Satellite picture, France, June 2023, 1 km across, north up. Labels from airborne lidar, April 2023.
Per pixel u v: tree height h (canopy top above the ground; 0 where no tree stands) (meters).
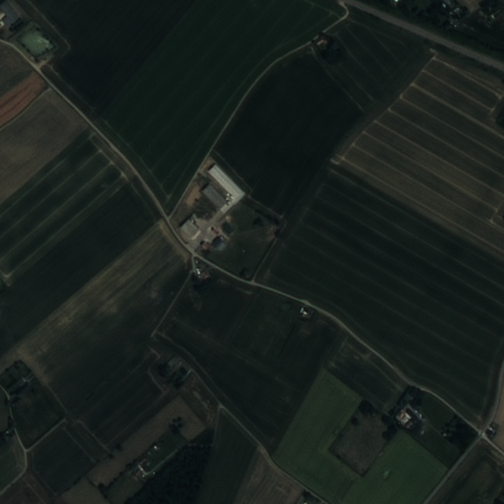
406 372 0
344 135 0
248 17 0
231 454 0
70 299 0
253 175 0
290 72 0
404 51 0
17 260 0
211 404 0
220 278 0
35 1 0
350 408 0
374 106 0
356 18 0
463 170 0
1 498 0
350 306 0
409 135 0
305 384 0
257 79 0
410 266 0
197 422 0
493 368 0
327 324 0
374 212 0
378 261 0
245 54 0
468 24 0
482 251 0
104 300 0
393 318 0
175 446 0
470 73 0
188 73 0
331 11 0
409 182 0
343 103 0
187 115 0
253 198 0
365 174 0
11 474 0
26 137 0
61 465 0
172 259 0
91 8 0
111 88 0
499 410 0
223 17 0
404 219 0
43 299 0
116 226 0
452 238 0
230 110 0
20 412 0
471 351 0
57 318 0
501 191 0
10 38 0
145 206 0
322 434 0
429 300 0
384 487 0
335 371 0
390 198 0
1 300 0
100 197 0
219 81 0
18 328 0
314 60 0
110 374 0
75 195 0
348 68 0
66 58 0
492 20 0
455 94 0
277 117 0
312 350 0
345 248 0
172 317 0
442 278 0
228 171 0
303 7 0
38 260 0
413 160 0
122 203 0
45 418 0
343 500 0
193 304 0
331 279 0
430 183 0
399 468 0
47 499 0
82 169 0
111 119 0
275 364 0
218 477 0
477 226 0
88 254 0
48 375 0
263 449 0
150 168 0
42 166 0
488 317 0
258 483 0
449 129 0
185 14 0
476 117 0
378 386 0
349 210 0
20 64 0
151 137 0
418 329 0
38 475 0
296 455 0
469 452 0
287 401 0
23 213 0
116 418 0
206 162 0
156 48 0
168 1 0
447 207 0
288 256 0
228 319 0
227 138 0
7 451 0
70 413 0
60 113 0
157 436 0
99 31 0
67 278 0
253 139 0
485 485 0
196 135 0
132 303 0
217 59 0
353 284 0
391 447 0
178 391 0
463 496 0
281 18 0
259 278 0
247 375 0
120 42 0
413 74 0
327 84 0
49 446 0
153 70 0
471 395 0
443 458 0
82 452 0
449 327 0
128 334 0
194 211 0
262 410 0
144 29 0
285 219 0
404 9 19
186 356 0
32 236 0
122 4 0
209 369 0
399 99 0
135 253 0
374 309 0
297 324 0
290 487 0
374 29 0
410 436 0
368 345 0
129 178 0
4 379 0
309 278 0
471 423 0
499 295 0
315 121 0
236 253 0
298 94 0
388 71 0
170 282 0
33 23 0
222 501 0
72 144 0
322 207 0
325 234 0
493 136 0
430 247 0
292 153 0
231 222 0
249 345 0
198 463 15
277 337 0
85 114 0
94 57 0
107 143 0
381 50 0
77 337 0
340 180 0
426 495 0
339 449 0
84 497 0
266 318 0
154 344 0
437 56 0
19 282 0
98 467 0
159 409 0
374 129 0
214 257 0
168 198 0
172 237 0
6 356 0
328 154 0
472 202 0
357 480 0
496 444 0
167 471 11
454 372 0
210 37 0
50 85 0
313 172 0
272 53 0
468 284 0
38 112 0
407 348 0
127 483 0
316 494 0
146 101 0
